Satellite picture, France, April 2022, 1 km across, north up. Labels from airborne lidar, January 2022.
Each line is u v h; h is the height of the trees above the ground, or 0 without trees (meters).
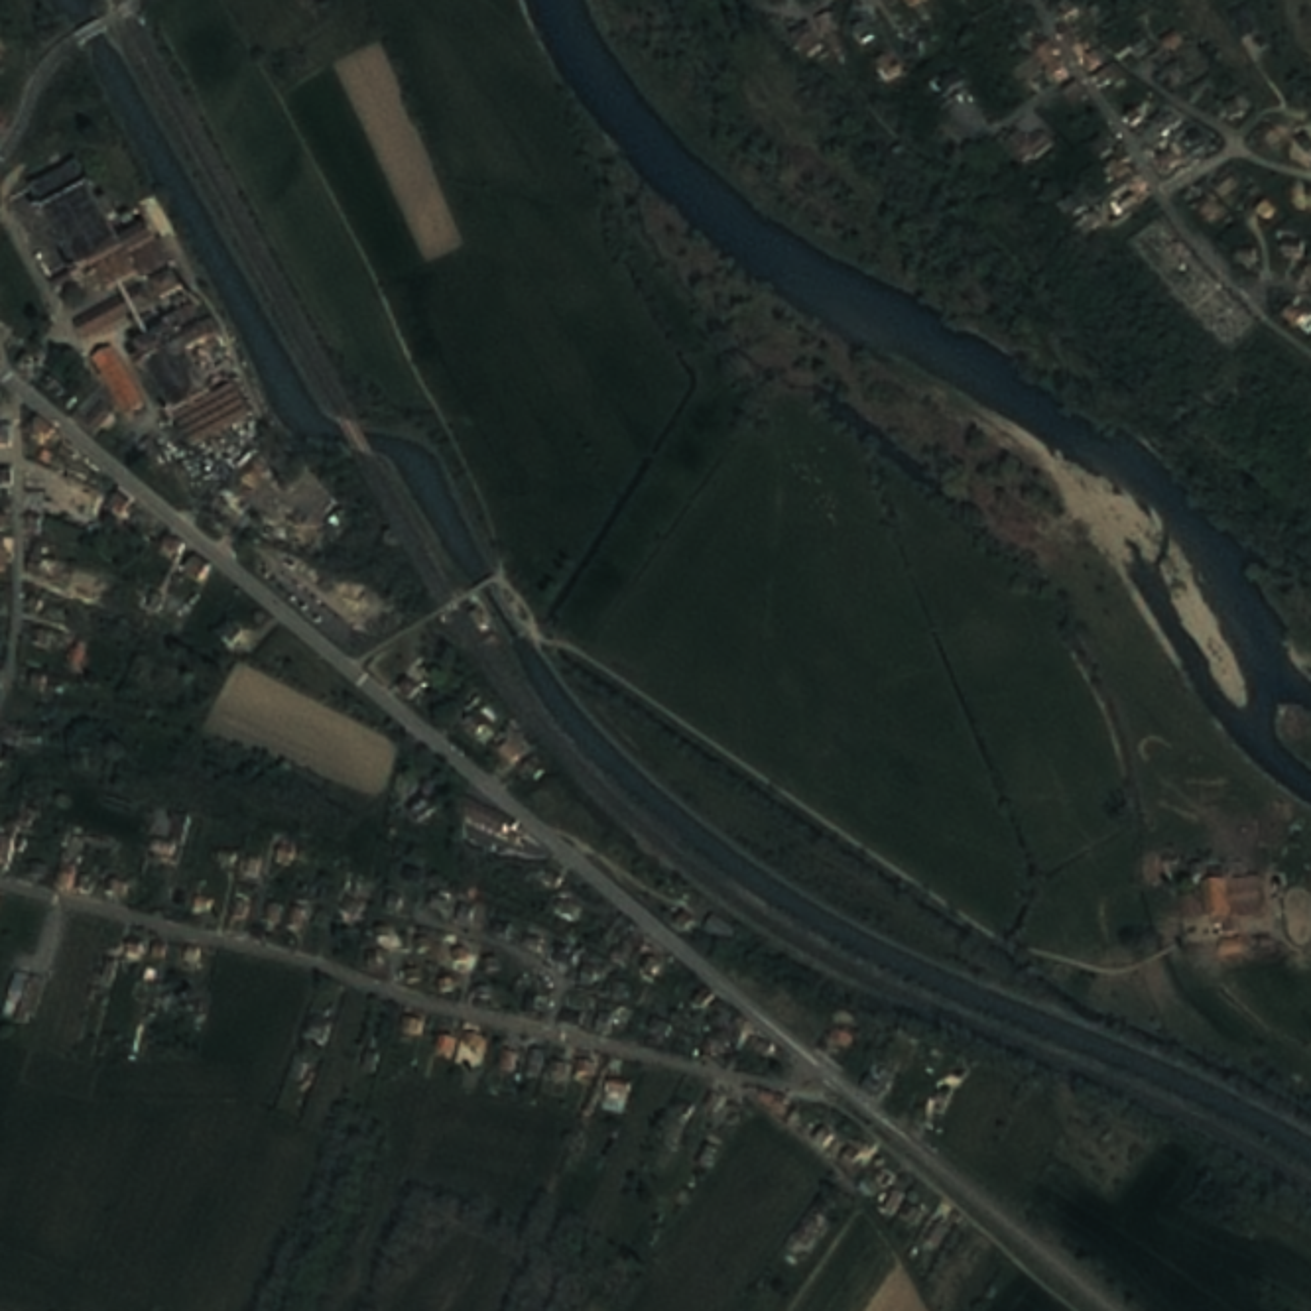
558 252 0
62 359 17
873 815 0
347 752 0
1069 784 0
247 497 0
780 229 0
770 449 0
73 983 0
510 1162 0
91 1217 0
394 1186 0
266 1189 0
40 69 0
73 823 0
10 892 0
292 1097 0
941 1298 0
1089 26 0
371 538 17
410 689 0
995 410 0
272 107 0
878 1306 0
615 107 0
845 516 0
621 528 0
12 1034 10
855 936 0
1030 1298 0
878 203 0
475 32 0
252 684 0
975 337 0
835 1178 7
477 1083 0
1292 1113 17
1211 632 0
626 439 0
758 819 0
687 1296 0
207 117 0
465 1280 0
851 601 0
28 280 0
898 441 9
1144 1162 10
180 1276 0
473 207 0
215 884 0
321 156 0
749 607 0
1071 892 0
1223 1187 12
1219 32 0
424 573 0
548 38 0
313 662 0
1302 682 0
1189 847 0
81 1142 0
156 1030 6
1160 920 0
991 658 0
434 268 0
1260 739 0
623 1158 0
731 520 0
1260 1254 0
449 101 0
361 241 0
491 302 0
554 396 0
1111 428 6
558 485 0
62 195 0
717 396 0
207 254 0
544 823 0
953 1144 0
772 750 0
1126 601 0
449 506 0
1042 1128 0
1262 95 0
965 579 0
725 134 10
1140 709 0
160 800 0
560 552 0
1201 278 0
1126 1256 0
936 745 0
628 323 0
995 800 0
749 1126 0
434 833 0
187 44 0
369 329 0
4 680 0
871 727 0
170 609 0
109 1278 0
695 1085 0
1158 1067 0
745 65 0
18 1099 0
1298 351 0
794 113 0
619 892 0
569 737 0
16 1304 0
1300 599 15
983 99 0
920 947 0
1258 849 0
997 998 0
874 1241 0
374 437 0
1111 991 0
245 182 0
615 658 0
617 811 0
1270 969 0
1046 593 13
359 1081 0
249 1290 0
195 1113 0
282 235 0
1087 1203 0
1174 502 0
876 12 0
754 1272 0
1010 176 12
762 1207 0
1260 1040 0
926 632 0
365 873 0
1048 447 0
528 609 0
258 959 0
